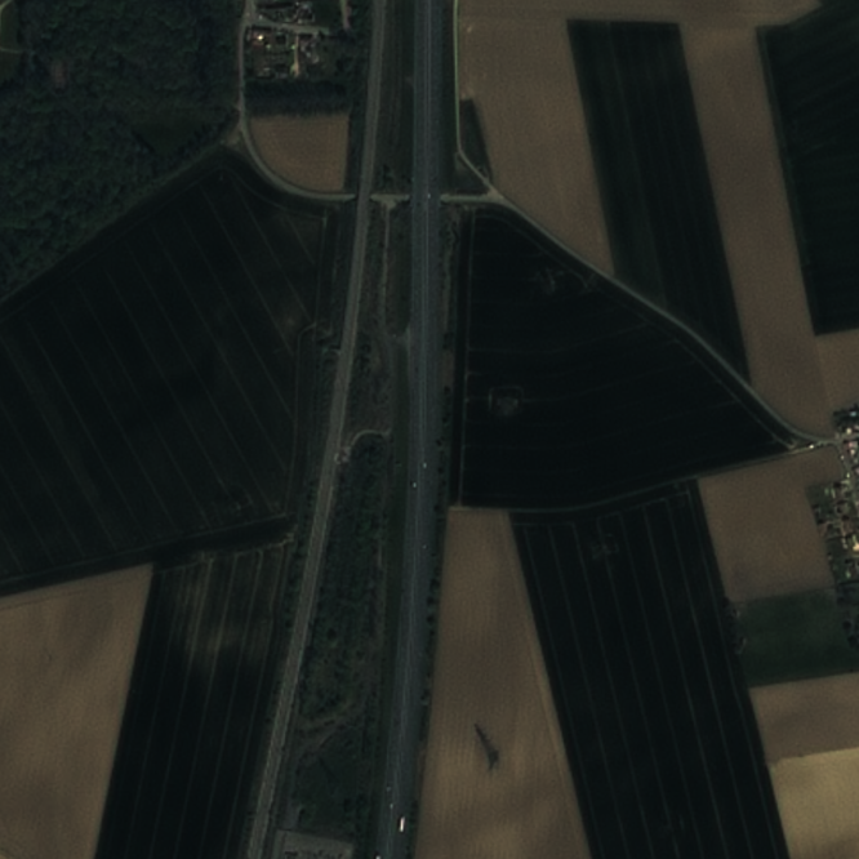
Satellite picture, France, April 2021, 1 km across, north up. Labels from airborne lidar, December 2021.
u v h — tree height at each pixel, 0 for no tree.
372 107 0
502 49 0
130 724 0
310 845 0
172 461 0
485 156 0
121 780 0
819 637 0
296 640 0
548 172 0
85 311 0
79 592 0
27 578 0
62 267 0
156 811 0
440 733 0
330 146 0
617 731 0
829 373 0
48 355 0
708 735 0
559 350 0
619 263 0
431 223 0
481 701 0
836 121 0
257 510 0
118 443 0
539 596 0
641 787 0
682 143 0
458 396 0
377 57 0
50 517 0
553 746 0
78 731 0
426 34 0
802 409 0
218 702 0
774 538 0
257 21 0
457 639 0
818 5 0
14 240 22
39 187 24
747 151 0
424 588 0
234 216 0
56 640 0
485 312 0
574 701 0
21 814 0
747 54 0
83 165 22
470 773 0
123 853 0
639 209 0
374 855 0
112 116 26
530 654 0
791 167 0
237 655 0
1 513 0
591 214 0
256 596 0
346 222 6
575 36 0
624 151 0
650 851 0
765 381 0
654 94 0
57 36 22
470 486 0
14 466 0
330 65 0
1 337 0
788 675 0
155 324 0
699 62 0
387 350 0
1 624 0
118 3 26
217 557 0
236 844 0
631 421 0
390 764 0
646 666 0
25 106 25
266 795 0
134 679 0
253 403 0
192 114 21
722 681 0
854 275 0
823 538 0
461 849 0
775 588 0
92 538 0
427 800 0
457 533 0
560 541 0
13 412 0
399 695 0
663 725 0
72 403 0
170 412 0
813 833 0
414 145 0
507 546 0
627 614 0
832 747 0
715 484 0
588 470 0
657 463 0
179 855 0
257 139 0
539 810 0
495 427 0
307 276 0
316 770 6
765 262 0
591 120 0
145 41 27
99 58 22
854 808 0
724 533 0
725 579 0
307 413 0
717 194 0
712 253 0
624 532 0
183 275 0
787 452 0
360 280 0
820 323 0
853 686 0
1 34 0
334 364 8
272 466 0
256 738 0
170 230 0
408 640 0
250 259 0
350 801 10
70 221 26
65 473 0
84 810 0
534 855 0
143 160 24
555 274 0
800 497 0
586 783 0
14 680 0
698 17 0
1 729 0
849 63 0
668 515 0
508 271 0
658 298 0
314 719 14
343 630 13
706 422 0
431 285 0
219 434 0
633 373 0
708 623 0
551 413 0
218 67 23
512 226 0
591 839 0
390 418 0
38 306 0
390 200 0
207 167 0
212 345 0
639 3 0
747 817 0
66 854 0
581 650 0
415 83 0
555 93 0
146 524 0
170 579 0
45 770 0
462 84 0
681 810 0
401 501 0
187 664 0
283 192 0
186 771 0
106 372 0
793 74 0
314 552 0
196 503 0
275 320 0
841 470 0
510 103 0
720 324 0
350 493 13
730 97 0
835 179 0
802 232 0
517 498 0
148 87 30
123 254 0
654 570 0
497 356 0
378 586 22
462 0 0
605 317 0
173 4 27
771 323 0
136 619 0
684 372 0
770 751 0
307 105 25
